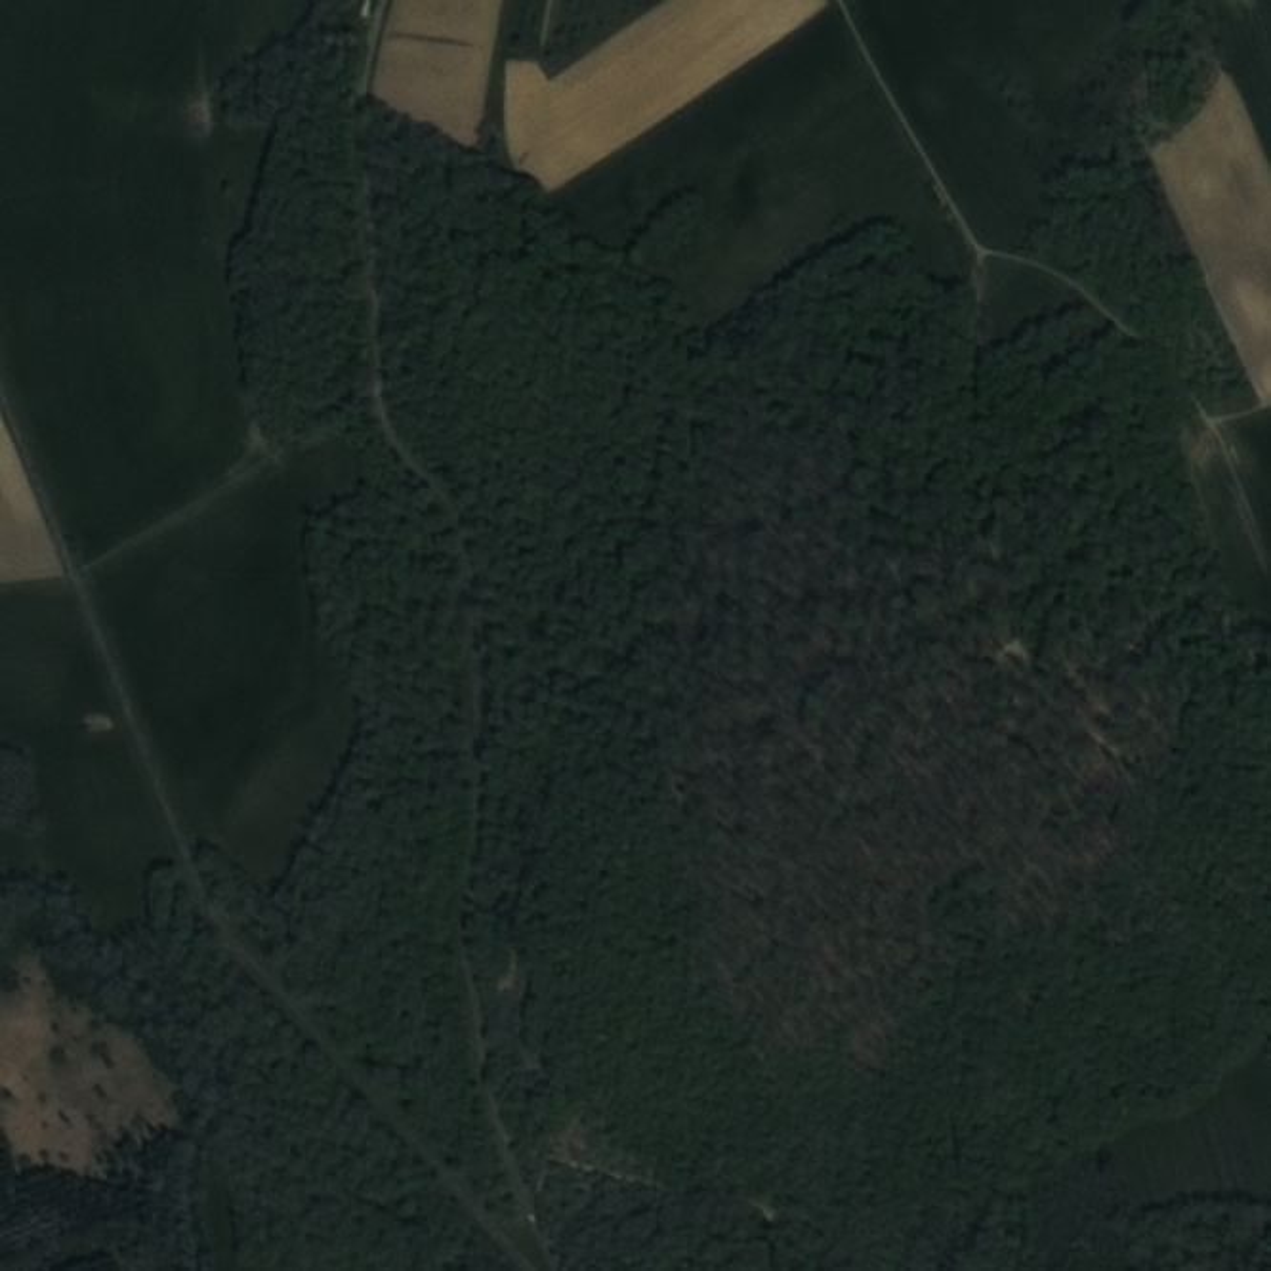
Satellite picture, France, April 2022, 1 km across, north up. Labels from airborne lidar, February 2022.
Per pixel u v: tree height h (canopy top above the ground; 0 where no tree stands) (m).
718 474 27
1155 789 28
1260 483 0
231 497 0
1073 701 30
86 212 0
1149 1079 21
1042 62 0
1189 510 22
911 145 0
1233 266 0
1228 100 0
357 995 29
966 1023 24
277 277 23
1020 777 31
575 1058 18
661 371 31
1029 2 0
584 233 21
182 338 0
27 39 0
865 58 0
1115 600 18
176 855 0
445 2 0
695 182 0
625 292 26
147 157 0
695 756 24
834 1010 26
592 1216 6
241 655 0
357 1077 0
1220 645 23
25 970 0
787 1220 26
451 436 20
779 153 0
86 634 0
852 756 30
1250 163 0
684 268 0
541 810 15
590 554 26
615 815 23
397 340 22
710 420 29
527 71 0
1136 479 29
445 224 24
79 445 0
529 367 25
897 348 30
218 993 19
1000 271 0
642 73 0
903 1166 23
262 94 14
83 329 0
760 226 0
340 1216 30
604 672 26
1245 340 0
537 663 22
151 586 0
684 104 0
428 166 27
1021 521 27
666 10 0
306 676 0
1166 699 31
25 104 0
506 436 17
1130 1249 10
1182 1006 22
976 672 29
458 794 23
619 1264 19
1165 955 23
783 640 27
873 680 27
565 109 0
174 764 0
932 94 0
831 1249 30
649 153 0
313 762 0
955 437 24
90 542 0
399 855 28
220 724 0
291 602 0
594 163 0
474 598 0
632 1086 19
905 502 31
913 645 26
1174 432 19
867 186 0
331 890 25
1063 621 32
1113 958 26
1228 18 0
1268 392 0
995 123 0
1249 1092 0
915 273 23
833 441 27
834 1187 28
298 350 26
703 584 10
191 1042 22
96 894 0
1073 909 31
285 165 16
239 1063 21
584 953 17
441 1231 23
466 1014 16
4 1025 0
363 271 25
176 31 0
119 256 0
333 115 24
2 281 0
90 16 0
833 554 31
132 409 0
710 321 0
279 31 0
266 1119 25
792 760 27
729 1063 21
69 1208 15
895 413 27
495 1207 10
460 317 25
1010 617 28
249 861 0
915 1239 24
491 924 14
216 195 0
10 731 0
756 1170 23
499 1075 13
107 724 0
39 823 17
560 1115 12
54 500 0
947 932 26
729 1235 27
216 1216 0
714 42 0
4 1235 15
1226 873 22
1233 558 0
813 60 0
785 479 28
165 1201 6
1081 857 29
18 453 0
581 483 28
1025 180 0
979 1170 24
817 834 30
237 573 0
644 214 0
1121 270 21
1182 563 25
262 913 20
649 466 26
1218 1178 0
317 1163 28
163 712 0
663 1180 10
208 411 0
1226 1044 20
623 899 21
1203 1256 26
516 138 0
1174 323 15
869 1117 20
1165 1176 0
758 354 24
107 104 0
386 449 18
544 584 27
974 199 0
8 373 0
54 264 0
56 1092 0
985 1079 27
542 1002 18
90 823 0
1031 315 0
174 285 0
